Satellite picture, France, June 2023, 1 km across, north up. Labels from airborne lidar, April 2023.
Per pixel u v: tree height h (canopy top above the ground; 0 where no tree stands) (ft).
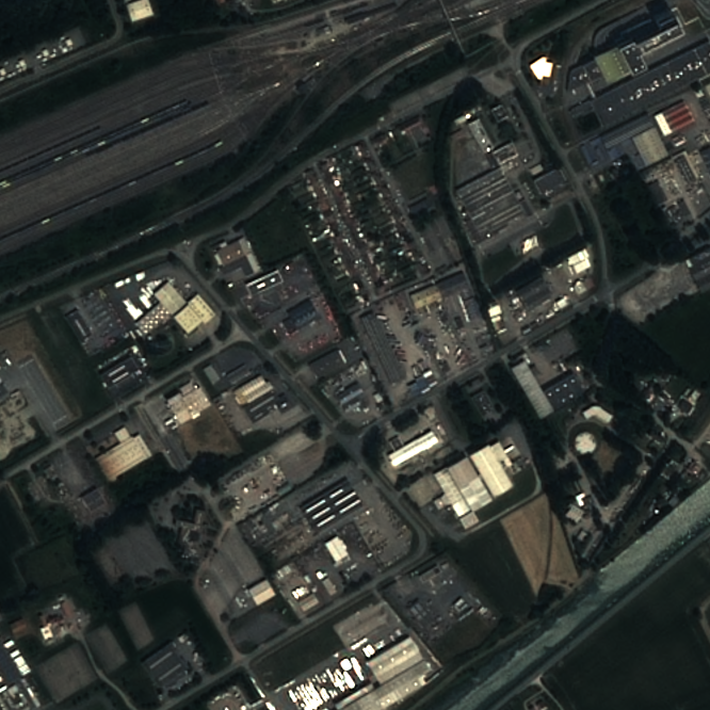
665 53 0
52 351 0
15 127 0
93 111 0
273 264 19
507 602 0
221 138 0
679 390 0
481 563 0
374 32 0
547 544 0
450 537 0
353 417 0
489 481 0
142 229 0
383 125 0
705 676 0
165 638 0
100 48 0
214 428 0
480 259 0
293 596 0
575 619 0
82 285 0
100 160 0
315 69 0
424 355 0
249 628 0
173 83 0
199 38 0
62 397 0
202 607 0
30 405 0
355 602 0
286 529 0
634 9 0
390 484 0
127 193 0
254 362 0
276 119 29
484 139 0
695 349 0
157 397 0
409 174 0
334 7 0
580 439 0
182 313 0
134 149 0
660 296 0
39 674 0
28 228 0
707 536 0
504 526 0
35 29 92
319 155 0
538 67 0
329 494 0
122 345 0
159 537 39
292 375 0
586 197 0
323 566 0
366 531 0
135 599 0
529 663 0
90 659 0
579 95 0
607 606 0
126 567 0
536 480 0
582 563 40
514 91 0
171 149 0
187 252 0
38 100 0
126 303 0
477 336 0
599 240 0
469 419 26
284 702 0
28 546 0
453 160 0
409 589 0
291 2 0
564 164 0
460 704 0
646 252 85
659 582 0
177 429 0
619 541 0
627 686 0
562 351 0
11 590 0
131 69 0
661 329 0
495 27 0
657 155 0
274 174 26
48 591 0
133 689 0
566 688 0
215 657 0
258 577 0
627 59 0
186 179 33
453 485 0
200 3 50
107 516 0
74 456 0
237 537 0
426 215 62
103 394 0
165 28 58
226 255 0
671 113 0
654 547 0
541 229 0
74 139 0
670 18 0
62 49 0
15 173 0
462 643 0
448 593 0
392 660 0
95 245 0
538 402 0
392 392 0
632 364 98
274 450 0
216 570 0
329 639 0
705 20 0
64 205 0
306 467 0
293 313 0
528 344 0
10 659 0
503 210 0
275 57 0
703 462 0
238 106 0
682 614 0
